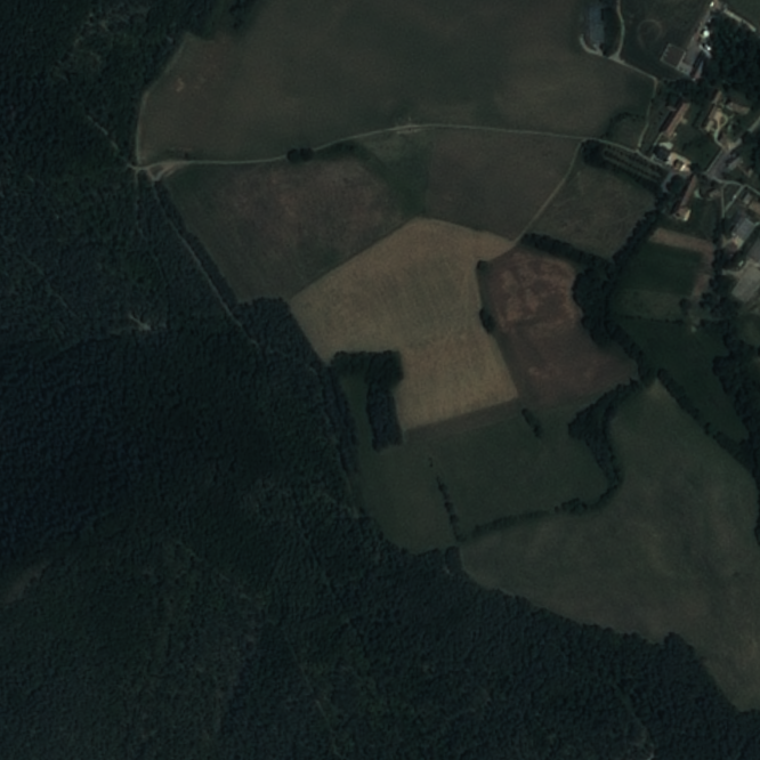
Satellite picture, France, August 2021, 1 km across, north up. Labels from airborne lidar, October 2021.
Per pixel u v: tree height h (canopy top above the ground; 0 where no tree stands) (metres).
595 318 11
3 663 9
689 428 0
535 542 0
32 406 30
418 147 0
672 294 0
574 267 0
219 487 20
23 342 14
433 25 0
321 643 16
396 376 13
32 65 20
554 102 0
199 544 16
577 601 0
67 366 23
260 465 27
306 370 24
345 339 0
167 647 7
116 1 17
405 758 21
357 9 0
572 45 0
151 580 20
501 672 10
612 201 0
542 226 0
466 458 0
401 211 0
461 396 0
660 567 0
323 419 23
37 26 16
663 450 0
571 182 0
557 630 17
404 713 9
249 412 22
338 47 0
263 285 0
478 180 0
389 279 0
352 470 23
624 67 0
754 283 0
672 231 0
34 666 11
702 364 0
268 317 10
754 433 15
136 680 10
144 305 18
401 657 25
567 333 0
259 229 0
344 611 21
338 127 0
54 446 27
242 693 16
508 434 0
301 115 0
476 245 0
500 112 0
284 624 14
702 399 0
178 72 0
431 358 0
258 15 0
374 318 0
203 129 0
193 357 26
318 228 0
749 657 0
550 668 20
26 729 7
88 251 17
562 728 24
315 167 0
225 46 0
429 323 0
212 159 0
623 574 0
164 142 0
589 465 0
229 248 0
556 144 0
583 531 0
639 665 21
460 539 11
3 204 21
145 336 7
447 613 16
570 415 0
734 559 0
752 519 0
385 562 10
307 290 0
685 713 30
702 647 0
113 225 13
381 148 0
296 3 0
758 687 0
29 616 6
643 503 0
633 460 0
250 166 0
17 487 29
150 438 20
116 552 14
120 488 18
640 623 0
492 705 10
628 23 0
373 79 0
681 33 0
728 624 0
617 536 0
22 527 25
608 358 0
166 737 7
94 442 31
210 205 0
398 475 0
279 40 0
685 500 0
